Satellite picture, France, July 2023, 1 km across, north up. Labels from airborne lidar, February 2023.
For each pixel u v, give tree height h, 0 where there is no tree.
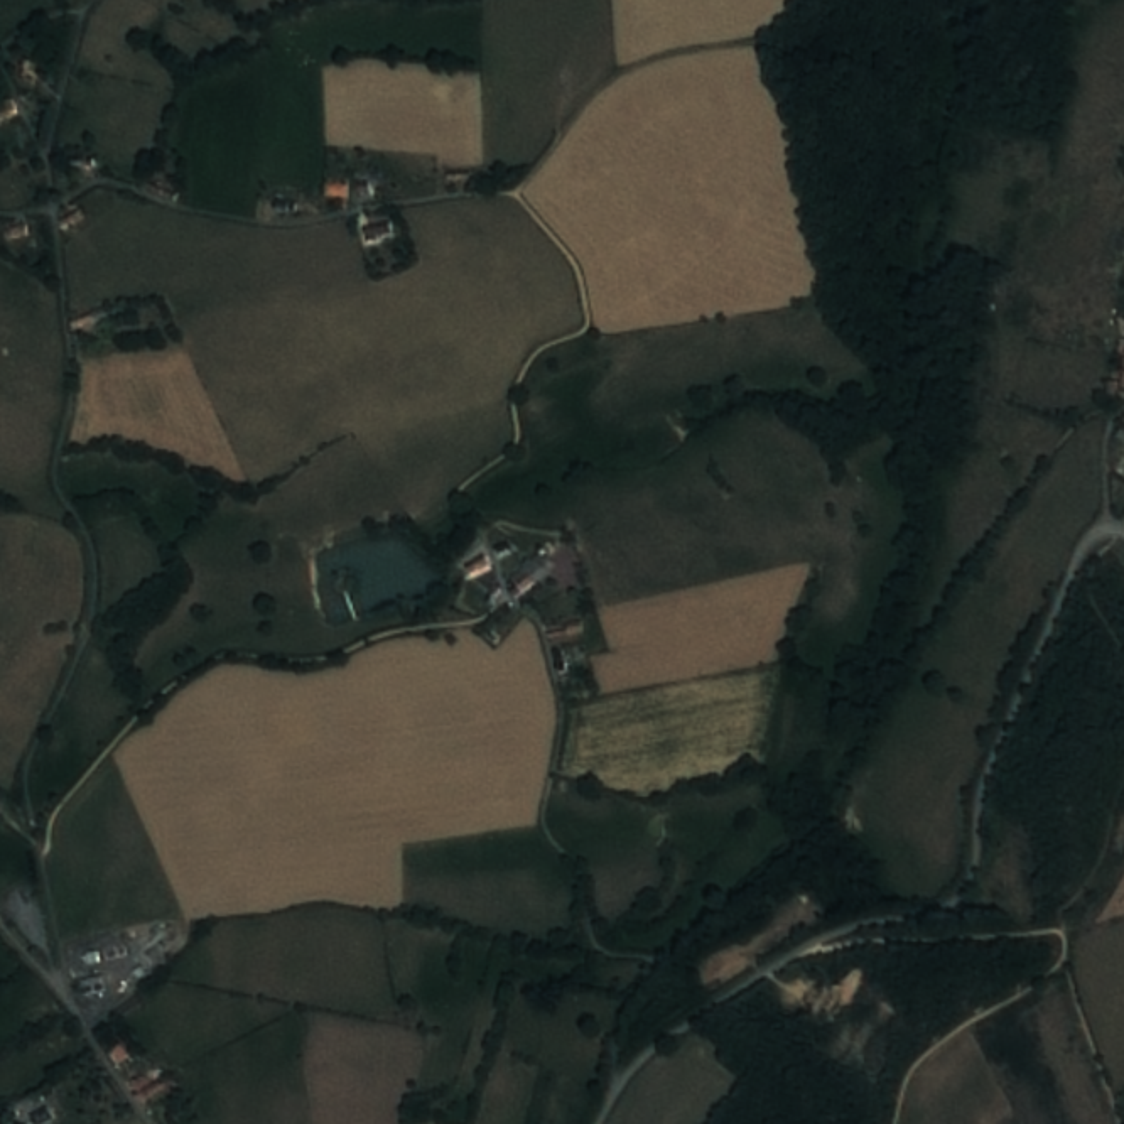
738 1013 14
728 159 0
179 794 0
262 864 0
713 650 0
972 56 19
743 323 0
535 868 0
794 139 13
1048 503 0
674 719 0
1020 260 0
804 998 0
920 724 0
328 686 0
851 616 0
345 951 0
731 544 0
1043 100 16
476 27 0
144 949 0
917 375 20
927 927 17
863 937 6
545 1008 28
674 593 0
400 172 0
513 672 0
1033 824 13
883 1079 6
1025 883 0
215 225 0
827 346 0
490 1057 9
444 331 0
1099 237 0
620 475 0
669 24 0
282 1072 0
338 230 0
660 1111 0
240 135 0
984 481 0
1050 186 0
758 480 0
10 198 0
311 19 0
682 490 0
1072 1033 0
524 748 0
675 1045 14
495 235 0
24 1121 0
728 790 12
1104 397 11
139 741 0
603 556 0
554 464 0
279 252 0
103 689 0
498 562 0
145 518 9
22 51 12
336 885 0
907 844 0
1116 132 0
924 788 0
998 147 0
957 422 16
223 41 0
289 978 0
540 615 0
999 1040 0
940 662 0
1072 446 0
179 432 0
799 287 0
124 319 13
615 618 0
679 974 15
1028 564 0
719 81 0
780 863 12
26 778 0
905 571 6
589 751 0
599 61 0
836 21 20
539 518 0
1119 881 0
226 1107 0
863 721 19
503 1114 0
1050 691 11
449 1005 0
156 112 0
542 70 0
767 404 15
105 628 13
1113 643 6
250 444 0
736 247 0
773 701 0
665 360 0
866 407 22
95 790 0
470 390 0
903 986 9
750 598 0
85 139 6
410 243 8
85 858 0
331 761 0
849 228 23
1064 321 0
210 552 0
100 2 0
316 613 0
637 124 0
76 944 0
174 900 0
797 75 23
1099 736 9
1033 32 17
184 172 11
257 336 0
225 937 0
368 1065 0
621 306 0
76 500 6
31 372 0
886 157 24
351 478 0
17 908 0
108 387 0
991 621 0
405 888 0
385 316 0
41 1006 0
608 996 6
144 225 0
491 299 0
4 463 0
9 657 0
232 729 0
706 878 0
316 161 0
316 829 0
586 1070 0
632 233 0
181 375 0
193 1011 0
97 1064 13
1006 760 10
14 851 0
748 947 0
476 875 0
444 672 0
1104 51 0
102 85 0
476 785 0
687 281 0
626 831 0
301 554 0
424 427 0
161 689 0
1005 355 0
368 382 0
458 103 0
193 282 0
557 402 0
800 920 0
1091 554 0
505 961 0
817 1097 11
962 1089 0
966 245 0
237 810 0
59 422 0
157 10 0
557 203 0
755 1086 13
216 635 0
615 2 0
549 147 0
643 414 0
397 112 0
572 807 0
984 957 12
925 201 0
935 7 31
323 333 0
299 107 0
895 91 27
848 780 14
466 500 18
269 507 0
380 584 0
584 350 0
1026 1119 0
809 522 0
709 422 8
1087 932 0
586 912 9
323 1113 0
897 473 26
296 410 0
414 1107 17
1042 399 0
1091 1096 0
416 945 0
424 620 11
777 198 0
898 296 7
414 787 0
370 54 7
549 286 0
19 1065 0
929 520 10
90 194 0
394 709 0
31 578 0
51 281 10
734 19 0
